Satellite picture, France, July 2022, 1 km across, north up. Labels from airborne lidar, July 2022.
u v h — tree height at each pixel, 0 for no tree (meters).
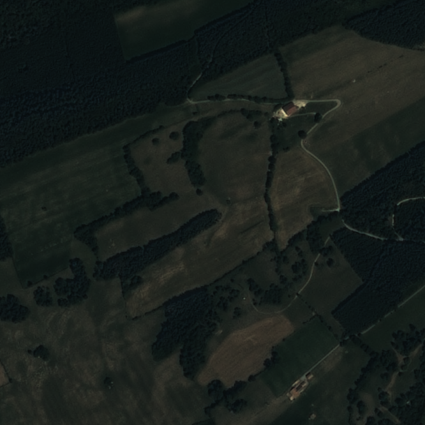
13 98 22
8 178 0
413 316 0
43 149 16
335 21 8
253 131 0
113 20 15
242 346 0
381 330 0
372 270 25
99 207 0
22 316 21
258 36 15
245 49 19
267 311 0
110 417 0
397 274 25
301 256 13
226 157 0
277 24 12
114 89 15
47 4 18
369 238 16
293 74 0
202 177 22
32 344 0
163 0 9
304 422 0
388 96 0
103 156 0
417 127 0
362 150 0
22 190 0
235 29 13
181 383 0
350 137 0
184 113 0
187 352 11
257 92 0
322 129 0
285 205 0
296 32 13
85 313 0
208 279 0
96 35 20
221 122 0
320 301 0
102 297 0
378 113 0
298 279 20
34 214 0
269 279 0
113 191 0
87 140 0
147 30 0
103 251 0
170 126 0
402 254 26
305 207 0
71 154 0
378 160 0
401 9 25
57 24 18
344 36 0
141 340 0
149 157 0
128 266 21
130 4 15
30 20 9
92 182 0
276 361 17
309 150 0
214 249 0
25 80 18
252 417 0
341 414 0
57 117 17
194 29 0
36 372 0
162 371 0
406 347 19
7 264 0
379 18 25
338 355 0
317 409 0
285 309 0
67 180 0
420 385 15
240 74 0
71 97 30
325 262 0
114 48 17
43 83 18
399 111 0
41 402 0
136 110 20
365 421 0
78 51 19
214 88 0
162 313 0
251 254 0
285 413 0
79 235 10
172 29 0
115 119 23
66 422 0
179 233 18
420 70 0
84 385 0
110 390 0
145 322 0
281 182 0
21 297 0
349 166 0
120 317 0
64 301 20
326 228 0
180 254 0
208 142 0
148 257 26
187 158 18
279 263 12
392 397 0
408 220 7
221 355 0
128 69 18
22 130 19
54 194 0
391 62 0
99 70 15
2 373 0
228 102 0
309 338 0
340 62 0
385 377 17
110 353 0
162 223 0
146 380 0
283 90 0
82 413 0
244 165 0
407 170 23
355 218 12
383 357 7
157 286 0
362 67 0
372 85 0
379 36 22
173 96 21
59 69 19
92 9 10
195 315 23
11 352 0
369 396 0
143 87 12
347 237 15
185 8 0
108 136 0
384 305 15
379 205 18
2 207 0
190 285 0
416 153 23
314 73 0
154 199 21
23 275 0
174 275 0
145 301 0
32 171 0
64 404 0
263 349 0
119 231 0
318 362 0
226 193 0
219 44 13
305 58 0
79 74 20
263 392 0
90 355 0
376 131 0
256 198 0
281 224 0
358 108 0
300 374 0
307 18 11
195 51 6
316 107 0
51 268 0
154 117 0
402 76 0
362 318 15
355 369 0
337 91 0
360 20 20
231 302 12
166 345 16
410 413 19
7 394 0
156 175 0
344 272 0
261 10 17
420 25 22
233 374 0
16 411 0
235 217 0
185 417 0
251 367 0
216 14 0
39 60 20
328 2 7
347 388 0
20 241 0
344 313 17
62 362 0
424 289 0
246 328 0
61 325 0
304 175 0
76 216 0
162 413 0
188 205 0
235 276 0
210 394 12
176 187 0
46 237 0
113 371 0
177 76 12
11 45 16
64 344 0
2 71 17
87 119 17
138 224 0
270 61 0
